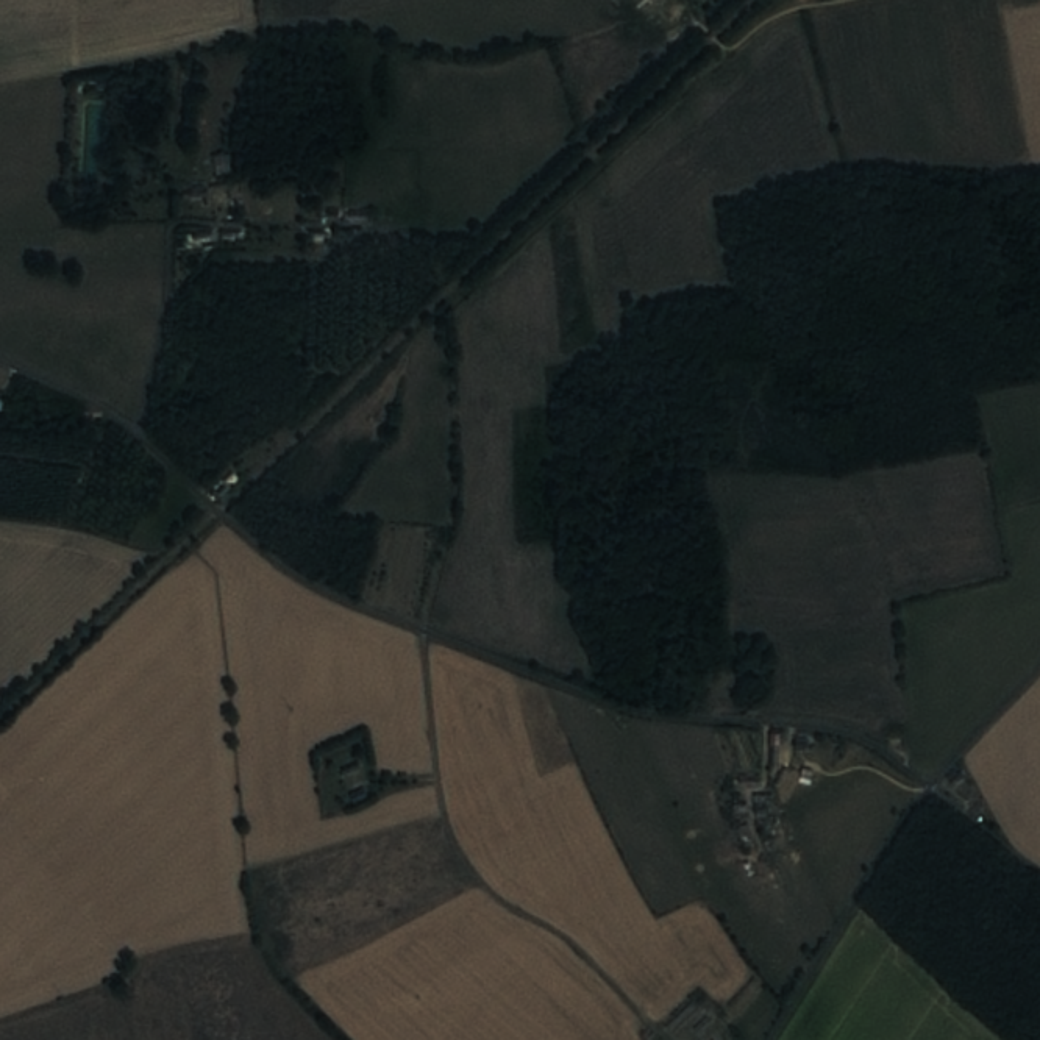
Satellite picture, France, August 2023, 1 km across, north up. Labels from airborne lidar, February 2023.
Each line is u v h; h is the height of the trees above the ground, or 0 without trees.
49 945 0
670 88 12
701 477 14
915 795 0
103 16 0
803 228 21
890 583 0
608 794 0
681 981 0
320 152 20
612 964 0
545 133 0
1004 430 0
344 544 11
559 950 0
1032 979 16
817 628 0
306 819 0
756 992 0
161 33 0
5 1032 0
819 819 0
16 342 0
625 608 18
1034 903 17
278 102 19
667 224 0
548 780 0
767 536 0
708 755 0
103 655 0
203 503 0
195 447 18
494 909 0
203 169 0
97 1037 0
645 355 20
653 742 0
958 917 14
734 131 0
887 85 0
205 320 16
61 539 0
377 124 0
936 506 0
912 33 0
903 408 14
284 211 0
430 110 0
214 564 0
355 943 0
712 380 16
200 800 0
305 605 0
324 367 18
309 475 0
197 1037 0
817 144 0
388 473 0
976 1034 0
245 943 0
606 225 0
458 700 0
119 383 0
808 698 0
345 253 18
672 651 16
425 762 0
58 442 14
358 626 0
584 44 0
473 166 0
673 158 0
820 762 0
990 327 19
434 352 0
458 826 0
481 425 0
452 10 0
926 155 0
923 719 0
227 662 0
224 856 0
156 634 0
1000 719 0
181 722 0
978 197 20
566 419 21
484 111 0
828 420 16
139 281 0
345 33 13
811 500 0
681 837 0
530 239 0
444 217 0
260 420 14
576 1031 0
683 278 0
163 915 0
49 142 0
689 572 12
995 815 0
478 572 0
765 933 0
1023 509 0
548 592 0
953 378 9
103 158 15
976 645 0
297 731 0
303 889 0
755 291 20
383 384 0
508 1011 0
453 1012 0
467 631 0
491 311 0
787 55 0
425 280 17
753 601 0
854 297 16
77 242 0
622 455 25
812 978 0
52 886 0
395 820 0
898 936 13
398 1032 0
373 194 0
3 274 0
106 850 0
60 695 0
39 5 0
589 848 0
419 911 0
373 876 0
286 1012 0
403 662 0
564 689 0
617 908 0
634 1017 0
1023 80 0
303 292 11
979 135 0
